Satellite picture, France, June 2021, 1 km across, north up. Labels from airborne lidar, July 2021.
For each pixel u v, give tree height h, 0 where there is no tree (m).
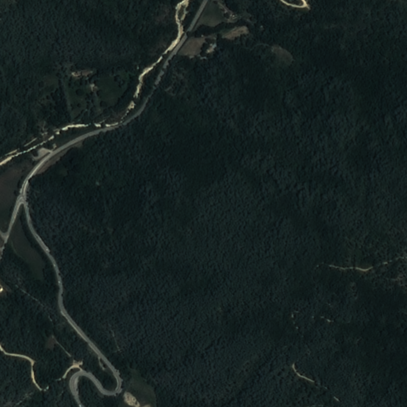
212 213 17
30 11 15
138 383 0
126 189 15
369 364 15
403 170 18
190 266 20
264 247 10
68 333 7
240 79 15
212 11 0
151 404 0
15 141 6
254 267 17
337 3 7
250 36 6
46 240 19
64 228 8
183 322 18
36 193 7
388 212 13
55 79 0
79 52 16
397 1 9
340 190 11
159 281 14
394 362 14
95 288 18
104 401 13
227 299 17
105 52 7
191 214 13
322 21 8
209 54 14
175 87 9
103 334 12
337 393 14
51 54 18
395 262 11
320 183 17
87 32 19
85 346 9
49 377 8
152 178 12
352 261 7
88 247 14
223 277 17
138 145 14
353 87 14
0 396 17
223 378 17
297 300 18
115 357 10
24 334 16
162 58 10
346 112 19
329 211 20
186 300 19
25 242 0
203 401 6
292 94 16
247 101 11
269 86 9
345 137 20
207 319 18
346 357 18
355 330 13
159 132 10
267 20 15
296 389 13
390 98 13
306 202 17
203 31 18
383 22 7
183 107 8
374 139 16
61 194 19
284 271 15
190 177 17
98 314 11
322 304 14
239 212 13
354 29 14
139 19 9
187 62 17
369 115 17
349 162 16
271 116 11
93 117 18
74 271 11
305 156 12
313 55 15
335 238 13
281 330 12
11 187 0
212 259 16
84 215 14
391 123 12
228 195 16
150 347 18
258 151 16
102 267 12
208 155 13
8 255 11
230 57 13
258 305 15
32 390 8
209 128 8
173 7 9
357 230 15
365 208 12
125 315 11
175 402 14
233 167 13
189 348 9
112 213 15
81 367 11
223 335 19
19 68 19
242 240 14
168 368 22
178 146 16
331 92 16
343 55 16
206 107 8
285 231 15
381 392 17
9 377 17
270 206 16
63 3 21
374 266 13
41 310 17
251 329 20
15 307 18
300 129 12
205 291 16
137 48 14
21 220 13
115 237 12
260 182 13
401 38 11
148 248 15
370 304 18
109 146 11
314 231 17
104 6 13
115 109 11
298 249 15
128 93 18
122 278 17
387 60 9
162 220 12
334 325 12
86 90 0
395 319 14
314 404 21
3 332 15
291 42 18
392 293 11
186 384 14
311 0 9
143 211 21
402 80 14
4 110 23
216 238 14
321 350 16
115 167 10
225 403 8
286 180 19
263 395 18
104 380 11
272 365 19
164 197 21
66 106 22
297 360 17
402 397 15
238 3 8
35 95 15
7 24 13
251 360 22
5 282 6
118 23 14
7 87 10
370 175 22
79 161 12
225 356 14
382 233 13
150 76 8
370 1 9
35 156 8
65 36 14
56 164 13
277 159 8
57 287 16
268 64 12
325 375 16
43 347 14
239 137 11
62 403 13
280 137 9
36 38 7
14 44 19
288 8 8
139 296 18
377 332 14
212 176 11
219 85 15
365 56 9
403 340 14
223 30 0
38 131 12
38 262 0
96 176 8
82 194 8
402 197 13
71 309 16
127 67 15
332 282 11
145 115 7
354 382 11
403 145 15
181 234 12
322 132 13
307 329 17
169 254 14
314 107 15
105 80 0
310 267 13
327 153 14
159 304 19
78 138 0
